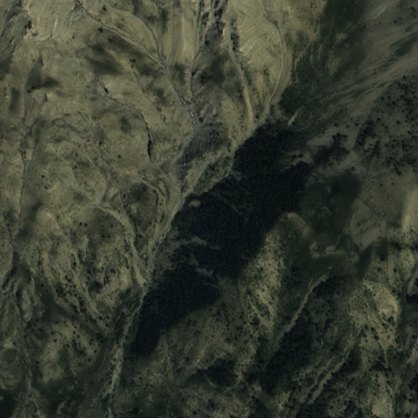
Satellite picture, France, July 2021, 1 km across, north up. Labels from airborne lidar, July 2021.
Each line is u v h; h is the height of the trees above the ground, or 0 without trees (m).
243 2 0
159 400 0
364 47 0
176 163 0
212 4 0
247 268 0
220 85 0
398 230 0
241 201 8
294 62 0
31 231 0
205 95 0
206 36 0
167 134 0
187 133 0
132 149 0
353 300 0
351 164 0
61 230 0
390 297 0
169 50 0
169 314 13
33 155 0
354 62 0
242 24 0
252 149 12
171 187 0
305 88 0
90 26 0
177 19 0
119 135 0
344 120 0
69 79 0
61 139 0
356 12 0
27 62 0
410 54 0
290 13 0
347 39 0
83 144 0
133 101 0
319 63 0
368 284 0
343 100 0
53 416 0
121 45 0
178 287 7
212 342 0
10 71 0
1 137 0
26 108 0
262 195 13
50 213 0
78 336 5
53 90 0
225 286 0
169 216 0
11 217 0
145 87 0
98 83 0
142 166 0
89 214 0
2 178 0
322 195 0
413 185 0
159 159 0
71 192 0
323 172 0
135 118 0
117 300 0
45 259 0
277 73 0
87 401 0
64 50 0
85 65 0
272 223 12
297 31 0
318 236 0
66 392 0
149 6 0
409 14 0
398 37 0
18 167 0
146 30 0
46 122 0
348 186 0
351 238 0
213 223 14
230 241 16
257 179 20
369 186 0
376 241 0
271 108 0
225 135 0
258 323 9
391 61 0
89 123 0
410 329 0
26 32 0
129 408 0
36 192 0
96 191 0
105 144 0
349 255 0
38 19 0
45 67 0
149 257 0
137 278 0
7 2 0
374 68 0
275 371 6
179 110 0
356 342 0
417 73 0
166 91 0
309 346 9
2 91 0
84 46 0
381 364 10
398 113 0
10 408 0
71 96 0
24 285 0
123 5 0
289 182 18
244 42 0
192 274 9
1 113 0
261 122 0
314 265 0
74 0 0
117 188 0
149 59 0
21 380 0
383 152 0
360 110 0
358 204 0
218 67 0
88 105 0
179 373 10
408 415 12
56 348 0
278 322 0
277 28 0
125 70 0
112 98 0
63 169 0
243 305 0
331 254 0
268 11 0
